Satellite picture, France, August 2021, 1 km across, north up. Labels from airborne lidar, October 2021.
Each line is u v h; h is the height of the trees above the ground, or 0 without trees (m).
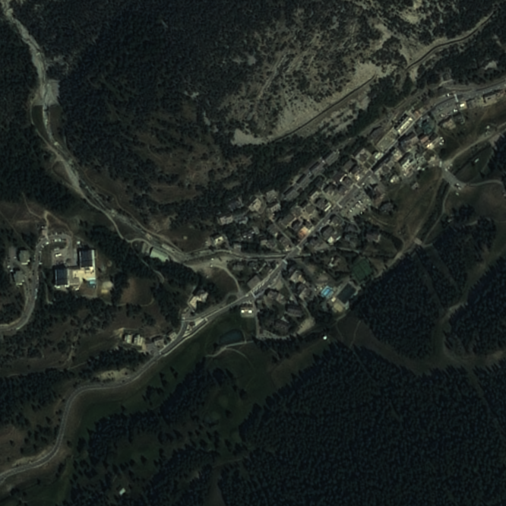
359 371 28
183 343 0
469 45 8
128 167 7
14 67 14
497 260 0
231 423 0
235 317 0
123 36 7
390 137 0
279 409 25
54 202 18
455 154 0
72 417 0
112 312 11
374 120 11
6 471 0
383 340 21
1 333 0
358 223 10
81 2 10
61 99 13
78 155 14
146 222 8
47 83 0
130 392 0
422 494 20
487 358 0
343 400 27
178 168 0
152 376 0
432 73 8
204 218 7
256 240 16
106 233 9
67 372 17
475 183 0
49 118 0
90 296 0
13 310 10
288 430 26
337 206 0
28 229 0
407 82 15
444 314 0
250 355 0
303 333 0
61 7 9
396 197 0
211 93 9
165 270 15
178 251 0
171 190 0
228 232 15
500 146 10
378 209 6
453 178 0
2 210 0
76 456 0
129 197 0
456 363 0
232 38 7
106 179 0
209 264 0
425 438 20
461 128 0
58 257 0
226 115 7
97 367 13
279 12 10
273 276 0
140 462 0
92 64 11
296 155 10
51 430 17
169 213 10
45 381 16
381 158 0
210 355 0
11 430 0
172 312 12
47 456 0
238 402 0
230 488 19
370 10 10
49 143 0
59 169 0
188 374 0
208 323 0
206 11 9
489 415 25
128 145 11
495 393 17
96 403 0
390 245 0
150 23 14
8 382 18
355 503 16
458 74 10
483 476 22
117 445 22
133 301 0
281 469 24
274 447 20
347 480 18
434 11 7
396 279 9
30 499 0
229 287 0
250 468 17
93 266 0
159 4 11
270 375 0
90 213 0
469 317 19
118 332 0
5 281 13
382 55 8
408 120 0
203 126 10
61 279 0
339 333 0
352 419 25
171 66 9
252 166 8
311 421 24
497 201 0
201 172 0
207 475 16
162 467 19
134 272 15
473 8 8
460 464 22
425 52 0
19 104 10
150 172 10
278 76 9
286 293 0
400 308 14
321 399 30
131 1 10
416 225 0
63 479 0
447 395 22
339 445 24
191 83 9
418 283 10
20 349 12
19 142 9
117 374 0
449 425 21
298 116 0
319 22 10
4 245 14
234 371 0
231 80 6
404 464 19
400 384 21
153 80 11
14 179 20
